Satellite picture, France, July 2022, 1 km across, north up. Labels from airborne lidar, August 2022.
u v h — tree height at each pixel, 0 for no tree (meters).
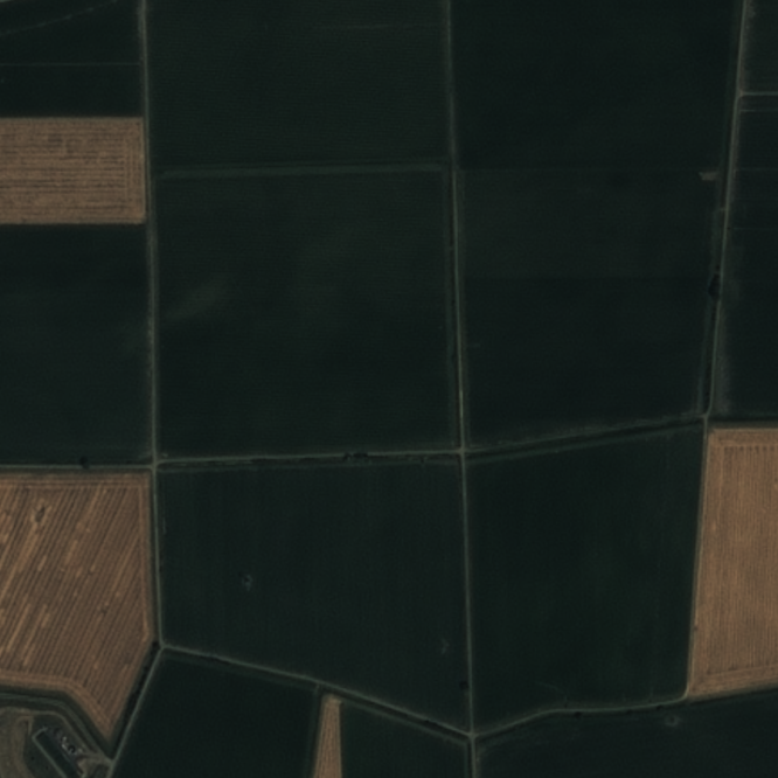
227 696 0
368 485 0
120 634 0
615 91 0
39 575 0
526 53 0
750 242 0
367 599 0
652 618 0
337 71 0
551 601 0
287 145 0
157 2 0
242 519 0
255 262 0
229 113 0
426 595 0
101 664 0
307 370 0
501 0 0
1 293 0
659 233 0
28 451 0
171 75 0
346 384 0
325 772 0
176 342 0
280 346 0
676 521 0
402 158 0
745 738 0
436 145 0
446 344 0
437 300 0
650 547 0
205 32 0
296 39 0
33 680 0
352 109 0
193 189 0
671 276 0
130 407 0
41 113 0
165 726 0
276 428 0
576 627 0
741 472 0
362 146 0
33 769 0
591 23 0
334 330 0
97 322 0
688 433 0
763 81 0
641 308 0
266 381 0
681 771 0
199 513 0
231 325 0
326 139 0
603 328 0
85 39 0
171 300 0
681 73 0
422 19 0
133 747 0
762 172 0
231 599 0
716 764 0
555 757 0
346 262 0
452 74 0
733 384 0
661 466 0
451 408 0
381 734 0
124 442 0
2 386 0
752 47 0
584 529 0
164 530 0
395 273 0
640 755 0
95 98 0
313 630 0
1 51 0
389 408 0
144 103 0
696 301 0
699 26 0
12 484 0
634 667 0
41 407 0
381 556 0
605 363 0
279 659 0
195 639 0
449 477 0
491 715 0
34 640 0
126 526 0
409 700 0
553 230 0
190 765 0
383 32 0
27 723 0
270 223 0
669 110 0
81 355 0
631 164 0
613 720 0
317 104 0
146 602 0
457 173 0
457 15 0
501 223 0
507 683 0
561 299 0
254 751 0
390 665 0
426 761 0
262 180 0
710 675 0
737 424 0
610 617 0
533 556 0
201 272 0
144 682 6
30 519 0
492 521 0
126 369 0
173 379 0
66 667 0
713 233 0
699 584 0
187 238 0
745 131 0
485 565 0
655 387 0
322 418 0
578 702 0
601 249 0
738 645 0
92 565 0
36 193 0
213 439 0
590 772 0
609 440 0
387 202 0
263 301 0
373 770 0
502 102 0
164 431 0
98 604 0
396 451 0
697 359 0
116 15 0
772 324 0
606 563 0
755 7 0
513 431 0
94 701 0
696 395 0
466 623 0
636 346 0
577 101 0
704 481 0
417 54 0
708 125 0
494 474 0
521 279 0
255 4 0
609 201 0
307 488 0
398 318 0
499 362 0
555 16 0
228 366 0
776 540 0
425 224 0
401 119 0
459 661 0
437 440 0
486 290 0
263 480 0
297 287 0
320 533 0
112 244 0
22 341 0
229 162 0
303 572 0
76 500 0
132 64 0
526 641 0
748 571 0
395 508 0
